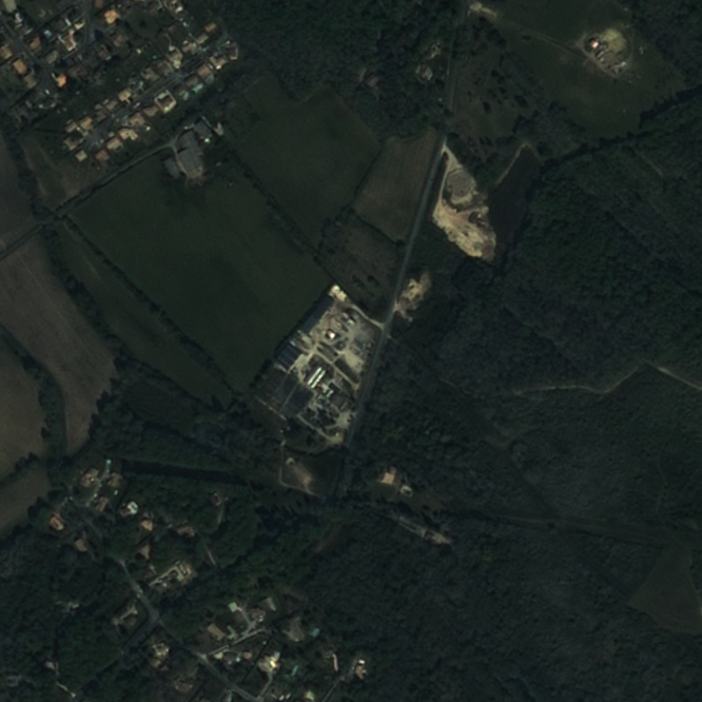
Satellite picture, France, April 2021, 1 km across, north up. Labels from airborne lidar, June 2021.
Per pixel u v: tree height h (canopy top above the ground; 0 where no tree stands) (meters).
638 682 6
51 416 18
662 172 13
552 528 10
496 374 17
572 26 0
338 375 0
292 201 0
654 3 13
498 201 0
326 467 0
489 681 25
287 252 0
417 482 17
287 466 0
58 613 7
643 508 6
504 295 22
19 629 13
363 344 0
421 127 15
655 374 8
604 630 8
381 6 23
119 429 33
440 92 18
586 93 0
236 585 23
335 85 7
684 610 0
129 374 23
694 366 7
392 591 10
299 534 24
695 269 12
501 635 20
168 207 0
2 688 15
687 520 9
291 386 0
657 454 6
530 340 23
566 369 21
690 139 23
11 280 0
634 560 6
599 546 6
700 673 12
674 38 13
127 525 18
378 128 21
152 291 0
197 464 17
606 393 21
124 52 0
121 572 17
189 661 21
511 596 14
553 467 6
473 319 21
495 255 0
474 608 21
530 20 0
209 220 0
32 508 0
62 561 8
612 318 24
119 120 0
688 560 0
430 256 5
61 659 7
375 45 17
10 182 0
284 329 0
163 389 11
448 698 21
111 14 0
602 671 8
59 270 7
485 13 0
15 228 0
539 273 24
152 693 20
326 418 14
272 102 0
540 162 0
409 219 0
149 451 26
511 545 11
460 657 16
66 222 7
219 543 20
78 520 10
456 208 0
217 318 0
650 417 6
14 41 0
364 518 11
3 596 18
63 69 12
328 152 0
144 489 14
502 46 15
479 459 10
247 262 0
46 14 0
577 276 25
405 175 0
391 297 0
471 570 17
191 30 0
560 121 20
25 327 0
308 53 21
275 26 25
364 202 0
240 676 15
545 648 7
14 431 0
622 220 17
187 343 15
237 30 20
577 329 18
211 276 0
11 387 0
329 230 18
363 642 23
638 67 0
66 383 0
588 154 22
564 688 10
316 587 13
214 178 0
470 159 12
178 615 24
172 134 8
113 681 23
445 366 22
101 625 20
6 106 22
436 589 22
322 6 21
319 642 8
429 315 0
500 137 0
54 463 10
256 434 31
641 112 0
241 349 0
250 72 13
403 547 9
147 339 0
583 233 26
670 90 0
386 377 18
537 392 16
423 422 16
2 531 0
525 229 12
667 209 19
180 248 0
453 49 16
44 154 0
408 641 23
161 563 21
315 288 0
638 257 28
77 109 0
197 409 18
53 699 19
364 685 21
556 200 29
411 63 16
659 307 24
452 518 16
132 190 0
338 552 7
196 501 22
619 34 0
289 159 0
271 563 18
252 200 0
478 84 6
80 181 0
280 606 0
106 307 0
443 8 15
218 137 10
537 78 13
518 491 9
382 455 19
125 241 0
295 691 12
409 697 23
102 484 0
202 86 0
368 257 0
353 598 20
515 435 11
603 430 8
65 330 0
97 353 0
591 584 9
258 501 13
